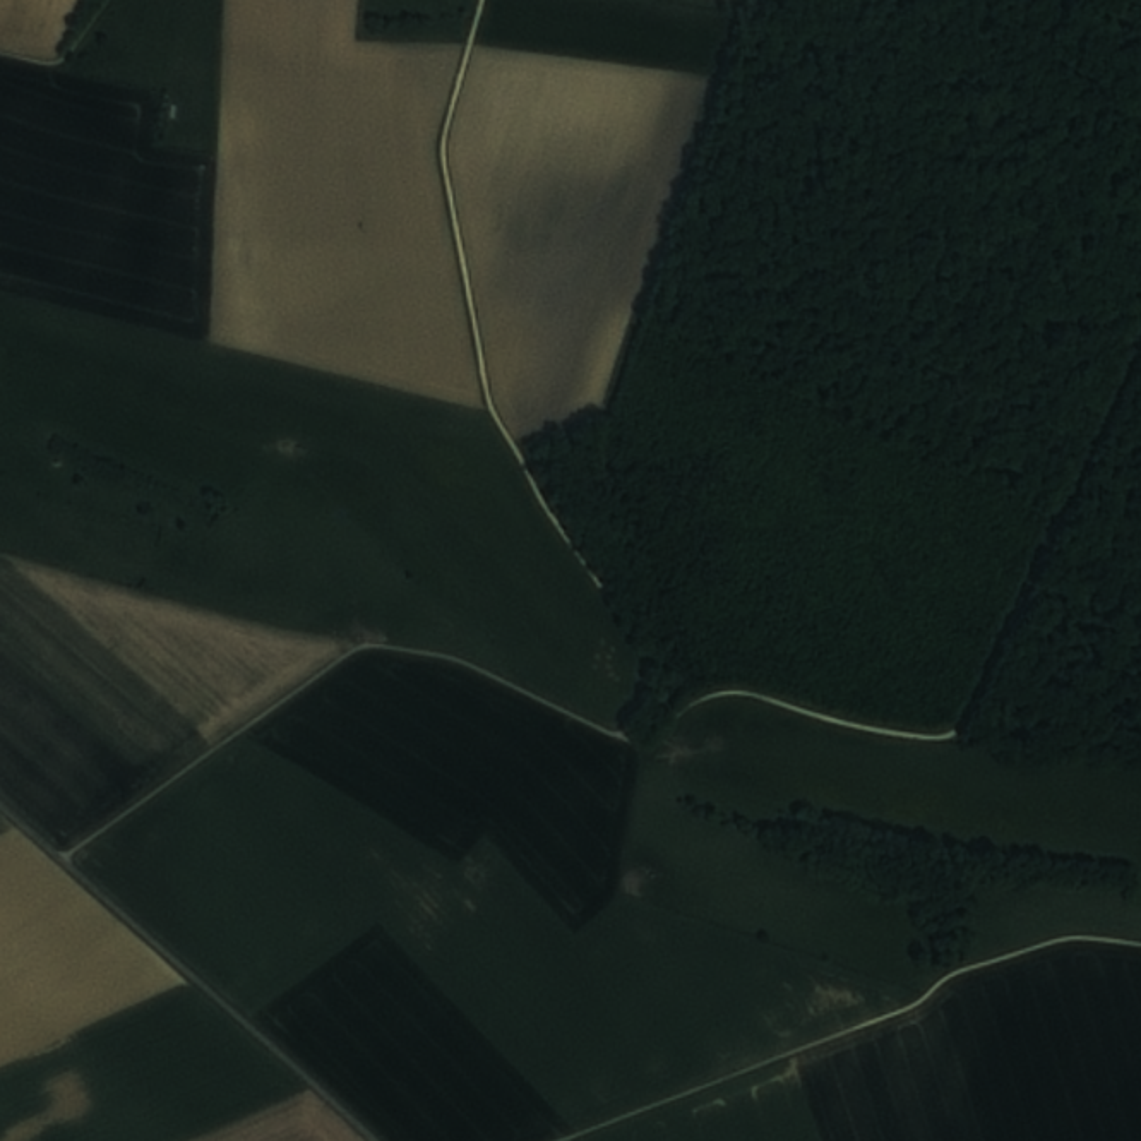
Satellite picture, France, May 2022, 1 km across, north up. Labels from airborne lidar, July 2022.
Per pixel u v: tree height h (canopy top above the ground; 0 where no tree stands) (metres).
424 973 0
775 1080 0
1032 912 0
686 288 31
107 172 0
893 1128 0
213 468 0
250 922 0
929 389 17
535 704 0
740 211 32
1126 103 34
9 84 0
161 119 7
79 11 10
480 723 0
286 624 0
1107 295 26
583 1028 0
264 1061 0
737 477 14
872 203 22
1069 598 27
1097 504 28
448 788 0
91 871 0
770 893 0
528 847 0
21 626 0
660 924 0
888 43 32
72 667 0
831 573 14
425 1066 0
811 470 12
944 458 16
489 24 0
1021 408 32
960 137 26
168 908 0
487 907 0
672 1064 0
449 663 0
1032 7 25
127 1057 0
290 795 0
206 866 0
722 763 0
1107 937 0
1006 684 23
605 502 26
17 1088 0
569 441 21
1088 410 25
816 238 30
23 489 0
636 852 0
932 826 0
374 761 0
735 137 31
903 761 0
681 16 0
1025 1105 0
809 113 31
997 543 12
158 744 0
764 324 24
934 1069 0
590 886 0
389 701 0
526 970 0
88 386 0
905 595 12
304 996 0
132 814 0
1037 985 0
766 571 13
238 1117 0
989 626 12
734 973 0
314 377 0
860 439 13
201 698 0
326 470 0
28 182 0
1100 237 28
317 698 0
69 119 0
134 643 0
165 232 0
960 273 31
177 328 0
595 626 0
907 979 0
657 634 16
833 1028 0
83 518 0
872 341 30
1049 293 33
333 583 0
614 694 0
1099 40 33
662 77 0
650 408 15
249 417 0
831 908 0
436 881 0
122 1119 0
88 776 0
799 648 15
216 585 0
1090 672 32
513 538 0
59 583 0
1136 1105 0
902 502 11
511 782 0
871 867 23
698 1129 0
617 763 0
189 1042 0
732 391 14
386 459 0
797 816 15
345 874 0
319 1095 0
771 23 31
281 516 0
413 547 0
